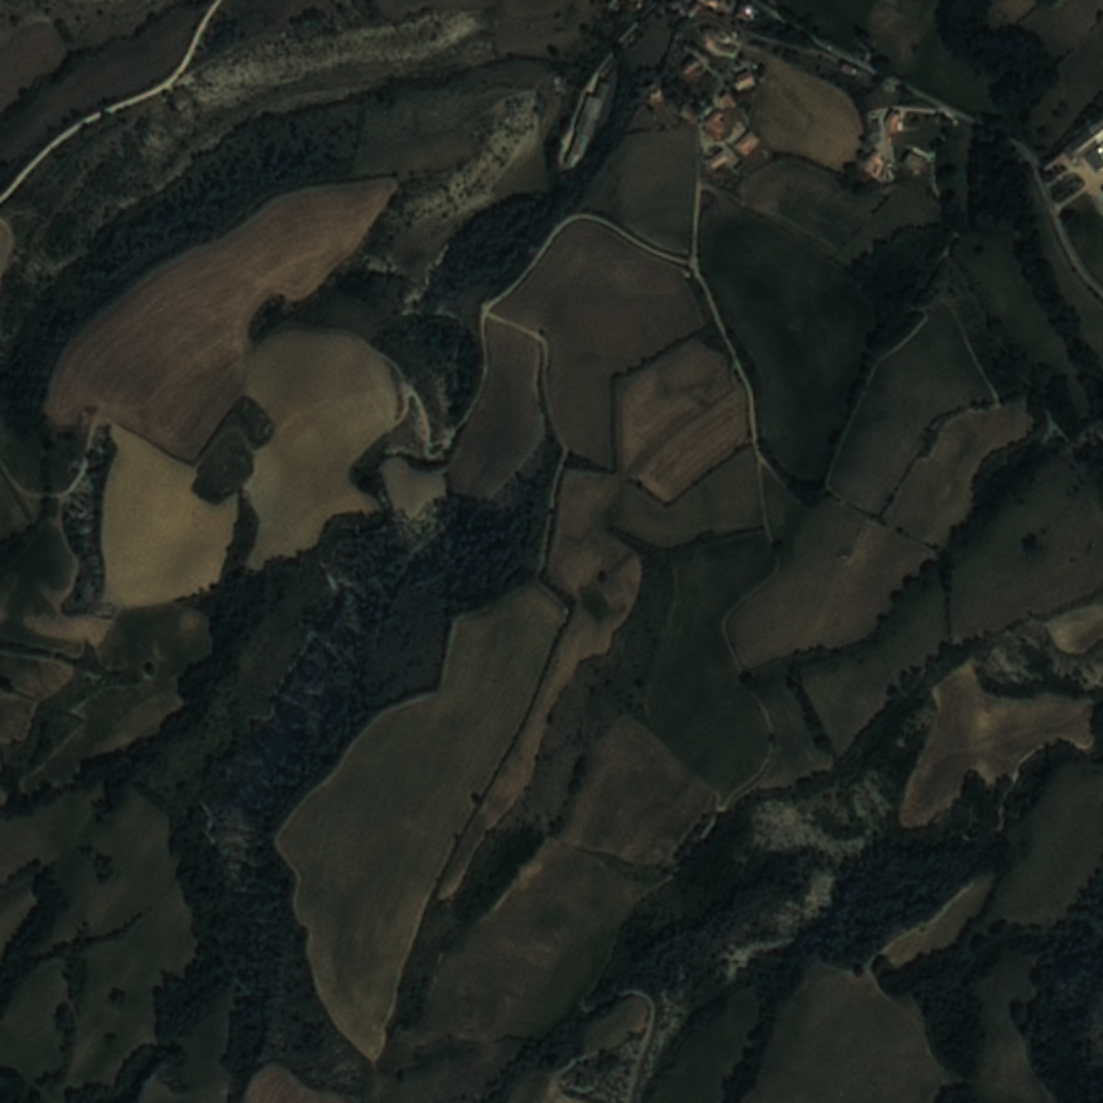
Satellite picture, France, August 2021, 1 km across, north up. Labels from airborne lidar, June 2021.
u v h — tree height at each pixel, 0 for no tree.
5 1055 0
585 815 0
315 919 0
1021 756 0
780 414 0
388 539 9
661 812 0
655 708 0
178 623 0
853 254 0
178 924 0
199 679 12
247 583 14
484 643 0
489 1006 0
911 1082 0
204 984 9
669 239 0
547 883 0
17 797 14
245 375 0
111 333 0
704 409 0
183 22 0
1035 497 0
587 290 0
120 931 7
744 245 0
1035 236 14
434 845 0
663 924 6
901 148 0
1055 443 10
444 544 6
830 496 8
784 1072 0
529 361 0
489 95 0
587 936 0
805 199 0
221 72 0
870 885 13
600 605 0
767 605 0
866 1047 0
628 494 0
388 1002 0
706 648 0
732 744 0
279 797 7
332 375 0
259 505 0
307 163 9
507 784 0
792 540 0
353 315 0
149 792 12
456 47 0
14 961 13
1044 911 0
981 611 0
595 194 0
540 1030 0
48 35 0
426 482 0
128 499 0
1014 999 0
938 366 0
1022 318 0
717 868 14
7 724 0
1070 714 0
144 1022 0
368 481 13
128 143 5
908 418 0
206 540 0
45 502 7
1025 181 16
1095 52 0
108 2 0
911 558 0
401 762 0
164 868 0
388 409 0
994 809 11
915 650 0
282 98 0
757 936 10
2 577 0
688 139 0
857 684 0
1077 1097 11
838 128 0
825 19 0
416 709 0
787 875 10
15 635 0
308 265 0
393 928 0
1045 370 13
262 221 0
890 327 12
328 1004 0
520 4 0
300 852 0
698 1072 0
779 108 0
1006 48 23
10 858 0
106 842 0
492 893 13
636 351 0
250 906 8
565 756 0
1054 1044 8
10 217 0
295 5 0
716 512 0
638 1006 0
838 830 8
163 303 0
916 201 0
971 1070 7
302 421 0
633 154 0
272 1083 0
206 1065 0
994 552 0
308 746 11
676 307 0
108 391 0
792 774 0
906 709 8
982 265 0
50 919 13
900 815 11
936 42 0
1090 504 0
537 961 0
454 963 0
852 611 0
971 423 0
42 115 0
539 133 0
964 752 0
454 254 6
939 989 14
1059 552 0
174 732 11
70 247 7
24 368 8
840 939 9
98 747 0
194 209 8
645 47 0
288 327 0
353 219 0
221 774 10
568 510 0
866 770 11
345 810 0
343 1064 0
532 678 0
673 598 6
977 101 0
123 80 0
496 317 0
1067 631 0
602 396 0
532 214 12
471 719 0
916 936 0
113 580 0
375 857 0
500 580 12
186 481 0
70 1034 16
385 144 0
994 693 9
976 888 0
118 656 0
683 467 0
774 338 0
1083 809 0
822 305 0
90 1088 8
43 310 9
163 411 0
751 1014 0
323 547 6
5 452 0
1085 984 10
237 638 13
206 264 0
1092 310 0
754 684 12
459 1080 0
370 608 8
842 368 0
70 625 0
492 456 0
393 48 0
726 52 0
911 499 0
